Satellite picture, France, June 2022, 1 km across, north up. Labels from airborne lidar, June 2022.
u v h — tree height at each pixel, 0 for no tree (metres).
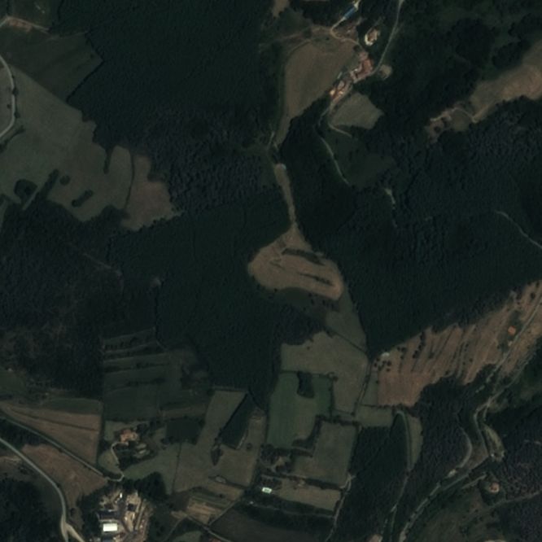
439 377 0
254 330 15
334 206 18
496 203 25
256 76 29
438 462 19
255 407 9
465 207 27
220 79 8
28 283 7
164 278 13
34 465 0
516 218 18
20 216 6
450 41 17
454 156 20
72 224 9
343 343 0
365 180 0
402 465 11
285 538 0
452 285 19
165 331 21
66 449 0
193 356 0
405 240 19
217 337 9
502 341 0
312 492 0
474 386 10
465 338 0
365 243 20
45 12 0
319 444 0
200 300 20
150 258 24
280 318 10
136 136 12
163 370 0
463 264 22
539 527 10
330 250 19
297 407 0
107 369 8
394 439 11
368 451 13
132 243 21
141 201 0
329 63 0
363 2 12
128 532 0
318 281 7
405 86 18
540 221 17
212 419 0
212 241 10
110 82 18
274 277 0
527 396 0
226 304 19
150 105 14
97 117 18
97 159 0
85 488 0
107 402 0
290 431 0
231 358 16
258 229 17
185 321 22
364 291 18
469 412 10
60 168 0
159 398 0
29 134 0
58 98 0
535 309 0
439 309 17
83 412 0
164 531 18
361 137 13
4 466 0
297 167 10
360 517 8
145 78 16
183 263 21
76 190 0
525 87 0
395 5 20
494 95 0
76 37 0
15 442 8
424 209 23
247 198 19
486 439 11
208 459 0
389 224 18
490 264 17
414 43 10
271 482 14
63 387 8
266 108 22
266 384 16
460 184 11
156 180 0
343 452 0
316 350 0
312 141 36
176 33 18
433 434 11
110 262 18
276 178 0
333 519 8
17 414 0
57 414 0
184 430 0
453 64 15
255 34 23
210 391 11
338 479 0
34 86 0
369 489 14
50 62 0
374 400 0
